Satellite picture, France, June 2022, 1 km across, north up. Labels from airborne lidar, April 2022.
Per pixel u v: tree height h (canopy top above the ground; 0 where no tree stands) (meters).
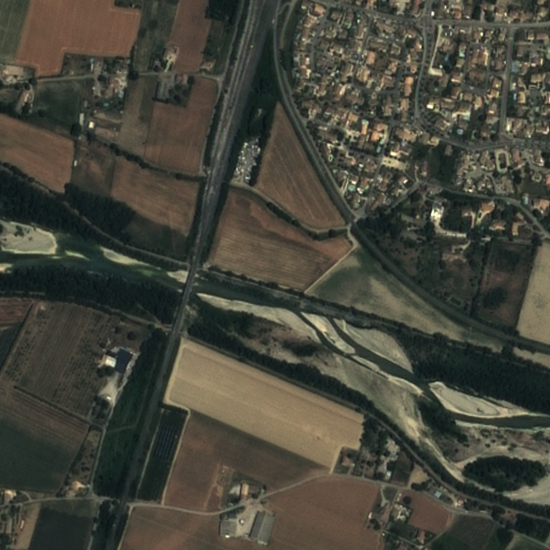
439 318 0
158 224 0
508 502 8
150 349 22
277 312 0
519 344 11
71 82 0
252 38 0
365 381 0
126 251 11
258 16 0
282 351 0
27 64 0
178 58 0
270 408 0
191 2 0
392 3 0
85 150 0
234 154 17
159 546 0
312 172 0
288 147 0
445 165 8
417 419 0
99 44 0
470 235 15
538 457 0
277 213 11
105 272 8
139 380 8
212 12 12
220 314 0
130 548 0
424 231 14
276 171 0
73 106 0
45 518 0
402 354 0
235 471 0
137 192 0
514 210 10
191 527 0
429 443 0
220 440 0
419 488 16
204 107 0
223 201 14
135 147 0
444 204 13
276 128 0
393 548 6
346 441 0
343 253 0
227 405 0
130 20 0
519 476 14
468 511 22
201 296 0
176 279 0
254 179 13
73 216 14
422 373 15
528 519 17
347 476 0
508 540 11
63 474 0
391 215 9
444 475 8
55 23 0
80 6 0
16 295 14
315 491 0
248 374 0
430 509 0
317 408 0
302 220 0
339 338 0
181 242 0
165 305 12
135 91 0
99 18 0
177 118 0
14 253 0
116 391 0
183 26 0
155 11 0
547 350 0
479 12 10
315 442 0
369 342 0
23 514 0
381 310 0
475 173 0
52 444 0
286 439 0
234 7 11
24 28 0
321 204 0
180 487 0
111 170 0
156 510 0
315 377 18
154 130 0
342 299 0
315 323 0
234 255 0
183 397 0
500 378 14
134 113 0
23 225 0
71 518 0
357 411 9
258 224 0
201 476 0
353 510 0
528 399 13
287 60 11
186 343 0
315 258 0
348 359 0
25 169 0
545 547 0
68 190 14
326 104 6
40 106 0
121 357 0
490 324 8
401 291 0
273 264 0
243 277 10
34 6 0
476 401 0
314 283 0
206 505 0
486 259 12
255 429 0
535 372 10
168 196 0
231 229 0
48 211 17
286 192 0
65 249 0
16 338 7
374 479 5
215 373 0
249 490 0
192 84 9
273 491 0
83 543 0
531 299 0
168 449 6
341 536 0
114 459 7
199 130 0
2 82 11
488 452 0
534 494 0
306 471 0
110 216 14
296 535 0
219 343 14
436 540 0
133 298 13
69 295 13
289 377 7
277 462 0
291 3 0
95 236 12
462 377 14
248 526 0
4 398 0
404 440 6
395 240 20
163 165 0
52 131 0
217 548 0
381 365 0
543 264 0
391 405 0
